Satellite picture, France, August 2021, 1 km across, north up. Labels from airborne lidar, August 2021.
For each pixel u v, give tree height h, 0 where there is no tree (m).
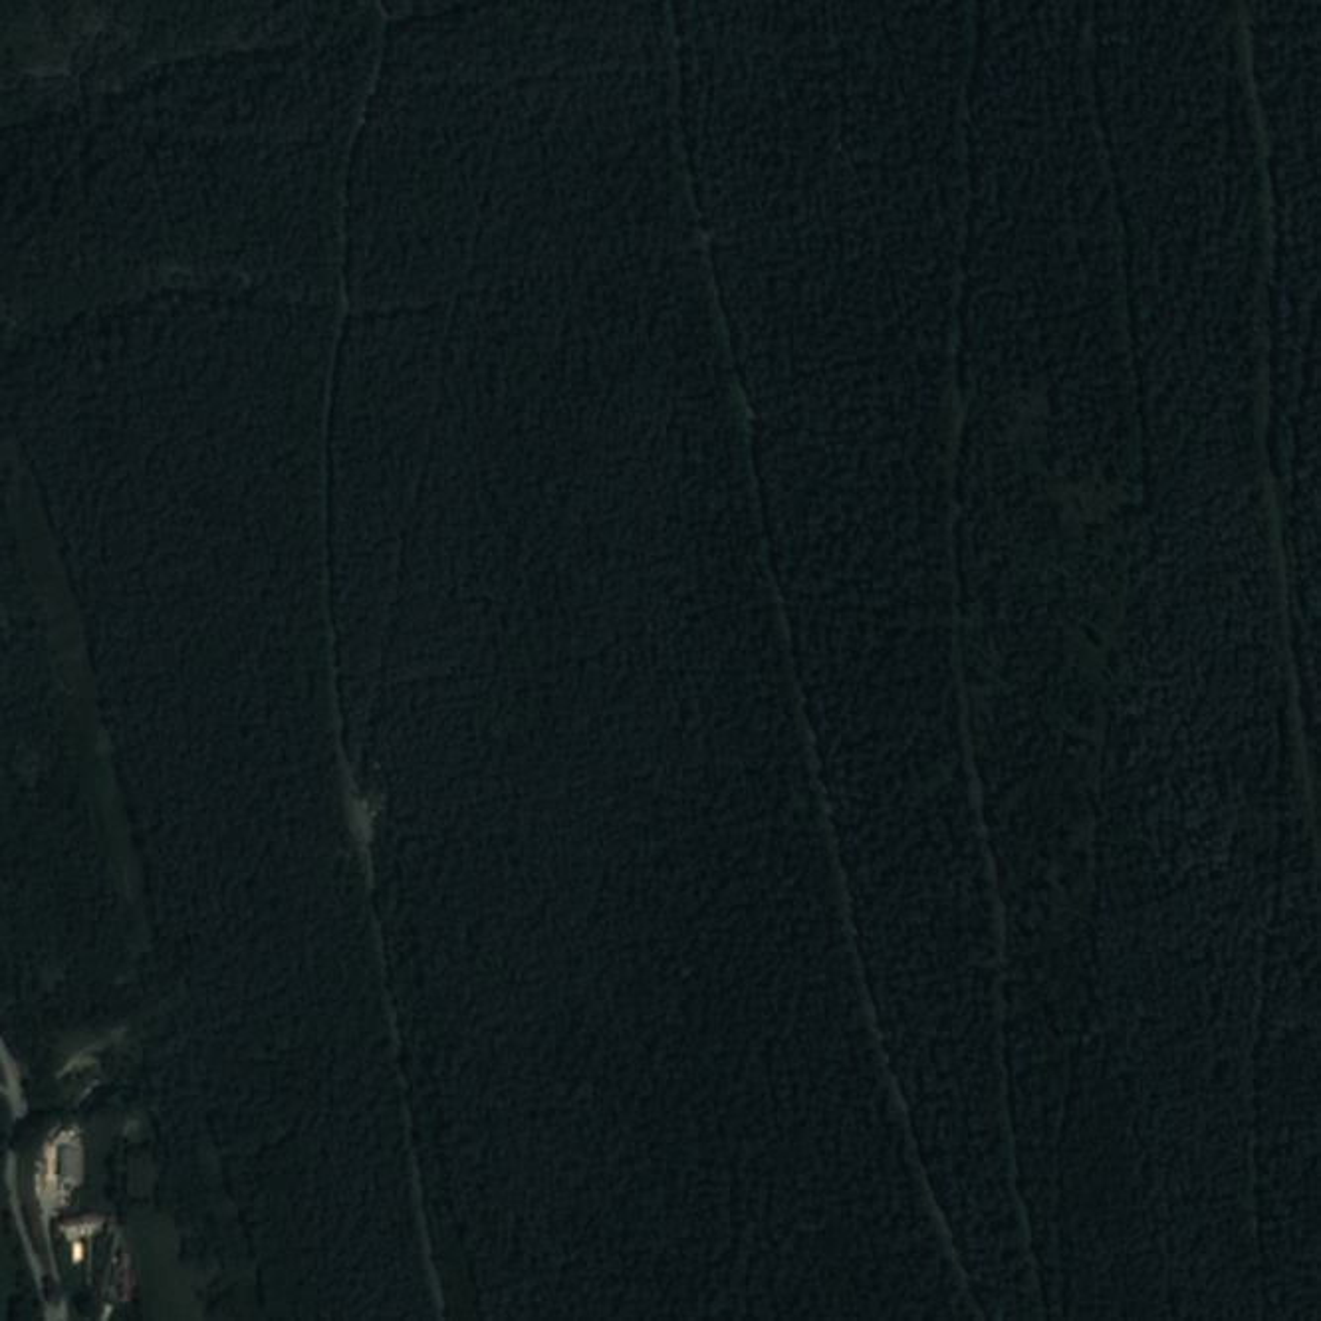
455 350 13
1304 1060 17
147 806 11
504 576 12
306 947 13
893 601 14
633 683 24
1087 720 16
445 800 12
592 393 14
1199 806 21
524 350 16
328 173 18
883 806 25
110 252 16
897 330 15
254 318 12
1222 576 22
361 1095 13
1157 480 17
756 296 17
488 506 10
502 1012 14
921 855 17
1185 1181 22
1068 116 22
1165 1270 21
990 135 16
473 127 16
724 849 18
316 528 12
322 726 13
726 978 24
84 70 11
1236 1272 19
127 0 10
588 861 18
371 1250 12
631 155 8
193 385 17
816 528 17
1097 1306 13
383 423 11
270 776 11
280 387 13
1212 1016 16
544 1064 15
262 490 14
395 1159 9
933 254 17
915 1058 18
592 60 10
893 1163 23
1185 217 21
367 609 12
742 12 17
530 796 16
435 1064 15
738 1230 22
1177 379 12
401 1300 12
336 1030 10
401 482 12
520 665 14
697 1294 24
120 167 12
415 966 16
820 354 20
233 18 13
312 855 13
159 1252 0
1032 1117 20
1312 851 18
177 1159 9
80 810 13
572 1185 18
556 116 15
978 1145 20
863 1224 18
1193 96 23
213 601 11
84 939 12
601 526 13
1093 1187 13
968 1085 17
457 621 14
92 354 13
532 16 16
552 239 15
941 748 18
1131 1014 25
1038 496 13
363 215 13
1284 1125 19
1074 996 6
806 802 22
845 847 7
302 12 11
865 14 20
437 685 12
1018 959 13
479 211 12
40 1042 11
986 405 6
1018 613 13
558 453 18
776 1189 27
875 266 13
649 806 20
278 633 19
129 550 16
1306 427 24
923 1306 24
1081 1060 20
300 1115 12
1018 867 16
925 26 16
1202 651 18
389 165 16
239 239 10
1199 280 20
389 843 8
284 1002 12
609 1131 19
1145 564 13
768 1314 23
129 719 13
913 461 8
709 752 15
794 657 9
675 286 18
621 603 19
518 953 15
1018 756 9
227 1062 11
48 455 14
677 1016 17
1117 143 13
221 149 13
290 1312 9
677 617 17
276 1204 12
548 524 13
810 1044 21
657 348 17
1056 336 21
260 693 13
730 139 17
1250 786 13
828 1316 20
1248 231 17
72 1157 0
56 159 16
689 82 10
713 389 13
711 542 20
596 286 16
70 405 15
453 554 13
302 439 13
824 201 22
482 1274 13
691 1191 22
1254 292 22
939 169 19
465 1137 15
